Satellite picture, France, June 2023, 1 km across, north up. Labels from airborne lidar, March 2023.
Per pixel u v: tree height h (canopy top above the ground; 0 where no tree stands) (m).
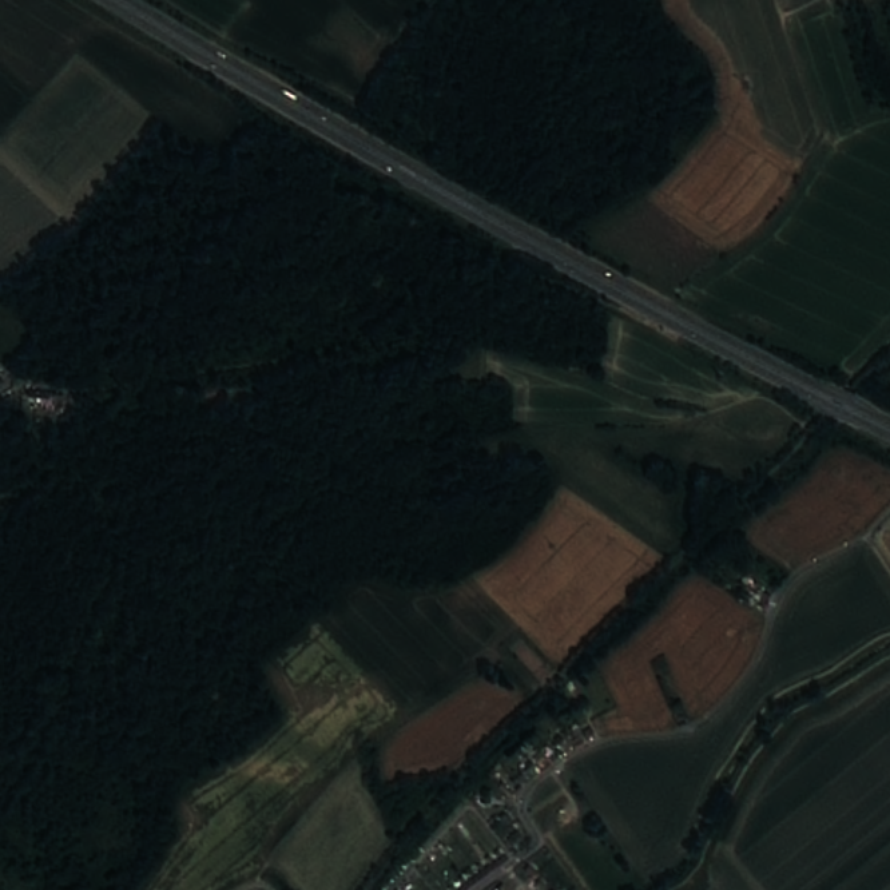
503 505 25
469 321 22
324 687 0
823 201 0
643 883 0
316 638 0
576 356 10
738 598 7
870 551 0
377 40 0
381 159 0
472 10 20
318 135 0
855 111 0
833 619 0
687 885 0
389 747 0
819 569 0
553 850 0
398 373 24
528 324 19
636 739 0
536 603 0
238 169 23
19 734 20
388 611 0
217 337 20
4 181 0
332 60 0
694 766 0
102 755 19
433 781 9
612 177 18
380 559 19
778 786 0
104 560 21
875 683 0
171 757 27
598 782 0
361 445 20
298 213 25
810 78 0
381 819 0
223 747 20
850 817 0
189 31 0
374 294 24
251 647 20
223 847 0
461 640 0
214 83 11
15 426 22
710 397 0
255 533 20
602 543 0
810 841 0
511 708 0
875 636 0
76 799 8
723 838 0
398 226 23
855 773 0
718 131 0
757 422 0
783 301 0
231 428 23
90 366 21
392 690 0
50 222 0
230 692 23
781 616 0
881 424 0
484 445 0
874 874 0
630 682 0
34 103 0
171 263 27
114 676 22
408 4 0
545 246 0
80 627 11
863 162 0
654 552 0
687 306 0
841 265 0
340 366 23
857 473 0
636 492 0
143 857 17
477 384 5
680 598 0
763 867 0
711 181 0
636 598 22
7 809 15
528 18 19
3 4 0
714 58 0
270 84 0
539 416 0
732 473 0
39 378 9
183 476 23
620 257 0
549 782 0
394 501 18
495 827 10
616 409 0
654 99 19
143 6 0
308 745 0
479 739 0
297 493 17
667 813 0
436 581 15
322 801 0
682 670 0
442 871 0
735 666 0
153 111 0
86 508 19
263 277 26
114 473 21
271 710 22
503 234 0
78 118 0
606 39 21
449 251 14
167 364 19
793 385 0
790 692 0
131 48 0
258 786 0
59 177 0
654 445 0
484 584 0
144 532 22
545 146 20
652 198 0
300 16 0
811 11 0
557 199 20
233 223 26
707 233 0
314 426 24
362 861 0
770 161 0
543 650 0
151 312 23
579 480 0
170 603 20
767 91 0
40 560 23
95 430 21
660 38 19
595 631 8
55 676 23
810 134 0
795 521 0
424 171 0
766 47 0
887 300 0
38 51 0
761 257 0
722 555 28
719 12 0
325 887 0
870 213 0
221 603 24
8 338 0
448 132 22
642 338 0
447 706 0
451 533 24
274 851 0
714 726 0
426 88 19
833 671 0
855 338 0
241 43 0
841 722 0
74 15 0
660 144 16
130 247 24
